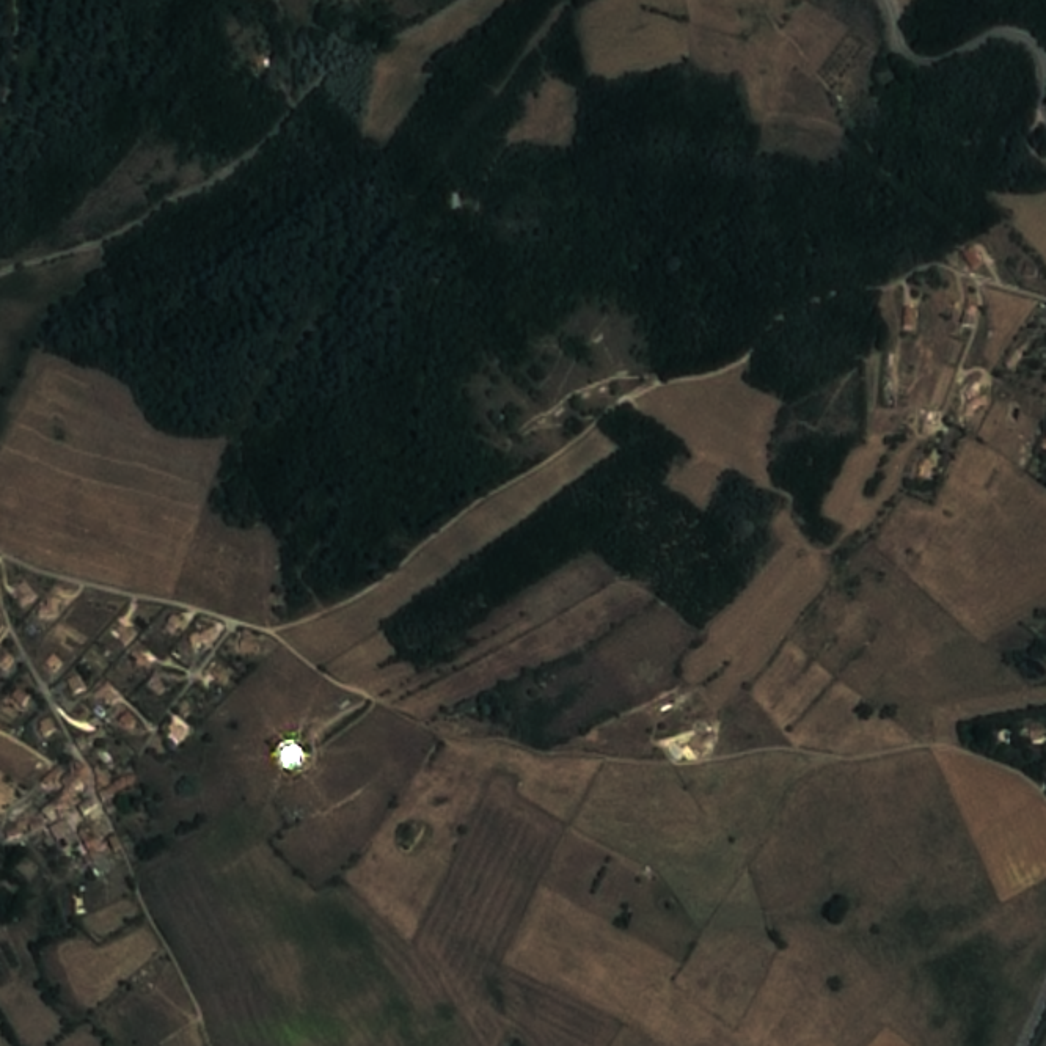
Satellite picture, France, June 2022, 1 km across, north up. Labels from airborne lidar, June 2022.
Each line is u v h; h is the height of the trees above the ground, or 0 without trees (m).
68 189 7
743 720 0
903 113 15
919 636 0
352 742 0
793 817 0
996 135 8
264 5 9
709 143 14
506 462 7
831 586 0
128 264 16
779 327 9
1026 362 7
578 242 8
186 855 0
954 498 0
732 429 0
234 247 22
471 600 6
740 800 0
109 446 0
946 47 14
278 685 0
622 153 15
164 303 20
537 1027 0
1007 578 0
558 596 0
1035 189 8
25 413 0
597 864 0
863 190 14
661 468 10
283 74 15
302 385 12
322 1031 0
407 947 0
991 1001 0
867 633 0
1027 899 0
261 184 8
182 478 0
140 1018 0
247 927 0
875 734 0
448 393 11
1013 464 0
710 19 0
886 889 0
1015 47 7
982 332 0
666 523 8
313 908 0
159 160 6
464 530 0
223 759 0
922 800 0
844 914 27
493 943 0
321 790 0
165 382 16
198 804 0
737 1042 0
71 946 0
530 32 6
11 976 0
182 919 0
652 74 8
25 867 0
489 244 9
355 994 0
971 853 0
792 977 0
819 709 0
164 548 0
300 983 0
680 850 0
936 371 0
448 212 7
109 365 17
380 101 0
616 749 0
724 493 9
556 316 10
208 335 11
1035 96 12
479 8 0
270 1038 0
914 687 0
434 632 13
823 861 0
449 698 0
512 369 8
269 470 13
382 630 7
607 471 9
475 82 7
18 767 0
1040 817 0
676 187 12
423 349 11
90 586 0
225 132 8
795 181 13
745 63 0
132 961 0
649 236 12
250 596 0
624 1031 0
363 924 0
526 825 0
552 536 7
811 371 10
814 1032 0
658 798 0
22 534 0
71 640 0
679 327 16
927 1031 0
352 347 29
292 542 7
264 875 0
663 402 0
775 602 0
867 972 0
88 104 25
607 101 13
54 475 0
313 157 19
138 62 29
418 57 0
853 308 13
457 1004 0
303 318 23
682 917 0
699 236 12
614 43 0
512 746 0
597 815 0
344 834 0
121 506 0
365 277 32
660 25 0
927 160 13
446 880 0
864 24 0
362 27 16
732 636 0
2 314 0
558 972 0
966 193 10
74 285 0
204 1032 0
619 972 0
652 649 0
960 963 0
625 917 6
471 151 6
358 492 10
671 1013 0
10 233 18
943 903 0
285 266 35
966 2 10
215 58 9
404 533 9
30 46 28
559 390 0
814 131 0
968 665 0
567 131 0
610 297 7
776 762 0
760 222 15
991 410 0
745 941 0
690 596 6
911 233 13
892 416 0
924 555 0
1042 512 0
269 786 0
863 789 0
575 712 0
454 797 0
